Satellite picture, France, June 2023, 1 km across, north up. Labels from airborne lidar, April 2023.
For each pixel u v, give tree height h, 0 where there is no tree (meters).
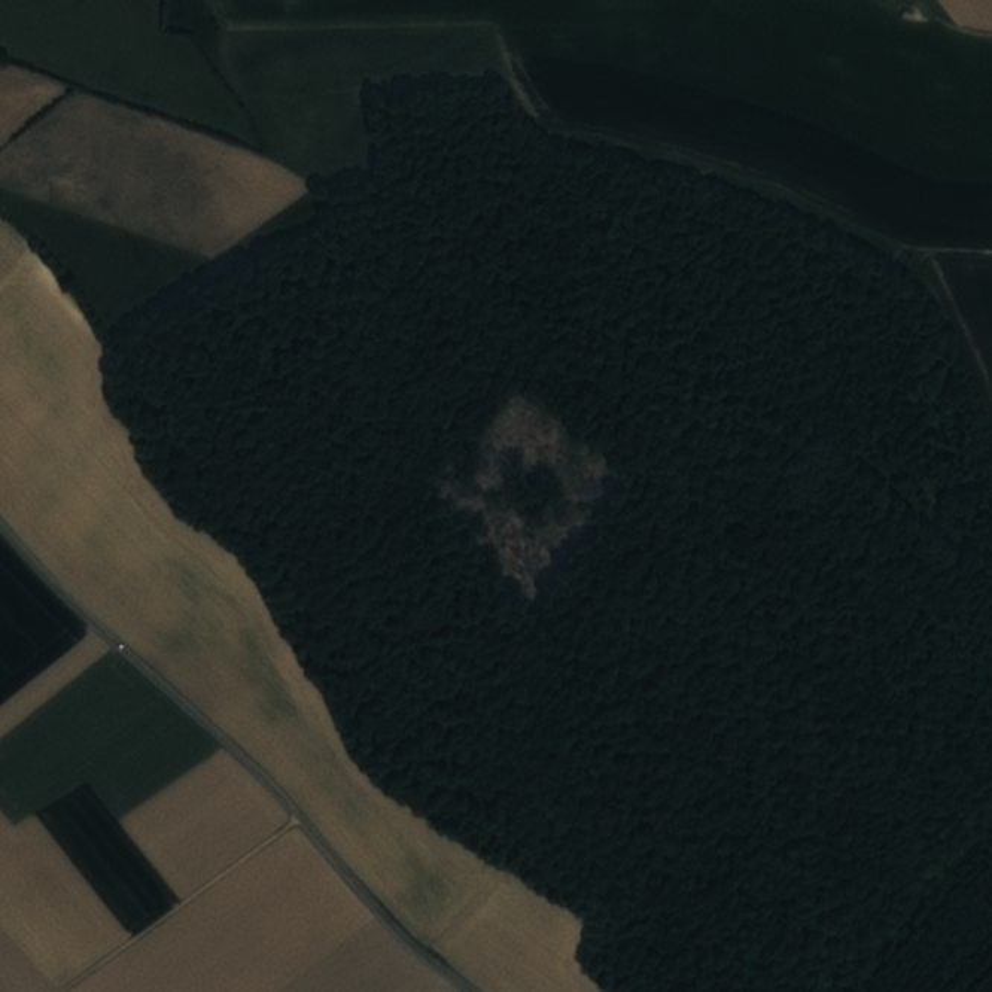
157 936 0
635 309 24
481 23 0
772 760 30
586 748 27
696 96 0
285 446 30
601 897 25
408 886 0
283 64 0
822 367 23
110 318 0
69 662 0
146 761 0
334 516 26
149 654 0
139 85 0
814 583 25
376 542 29
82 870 0
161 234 0
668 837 28
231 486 29
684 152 0
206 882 0
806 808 27
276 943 0
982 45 0
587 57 0
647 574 29
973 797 24
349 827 0
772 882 24
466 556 25
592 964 21
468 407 30
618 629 23
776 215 26
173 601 0
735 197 21
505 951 0
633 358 25
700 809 23
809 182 0
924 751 23
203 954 0
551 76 0
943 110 0
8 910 0
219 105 0
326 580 31
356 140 0
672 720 24
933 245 0
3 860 0
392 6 0
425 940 0
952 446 12
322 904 0
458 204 25
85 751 0
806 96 0
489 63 0
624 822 23
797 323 27
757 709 27
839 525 27
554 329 24
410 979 0
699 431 26
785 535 25
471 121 27
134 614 0
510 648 27
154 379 29
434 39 0
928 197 0
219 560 0
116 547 0
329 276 27
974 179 0
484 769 28
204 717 0
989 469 20
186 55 0
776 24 0
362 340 27
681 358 22
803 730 23
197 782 0
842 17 0
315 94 0
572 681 25
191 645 0
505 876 0
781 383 23
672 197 23
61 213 0
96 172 0
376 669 25
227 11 0
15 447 0
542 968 0
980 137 0
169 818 0
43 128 0
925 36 0
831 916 27
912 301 23
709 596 31
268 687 0
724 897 22
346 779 0
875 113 0
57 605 0
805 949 24
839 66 0
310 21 0
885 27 0
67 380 0
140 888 0
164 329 28
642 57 0
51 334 0
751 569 28
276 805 0
